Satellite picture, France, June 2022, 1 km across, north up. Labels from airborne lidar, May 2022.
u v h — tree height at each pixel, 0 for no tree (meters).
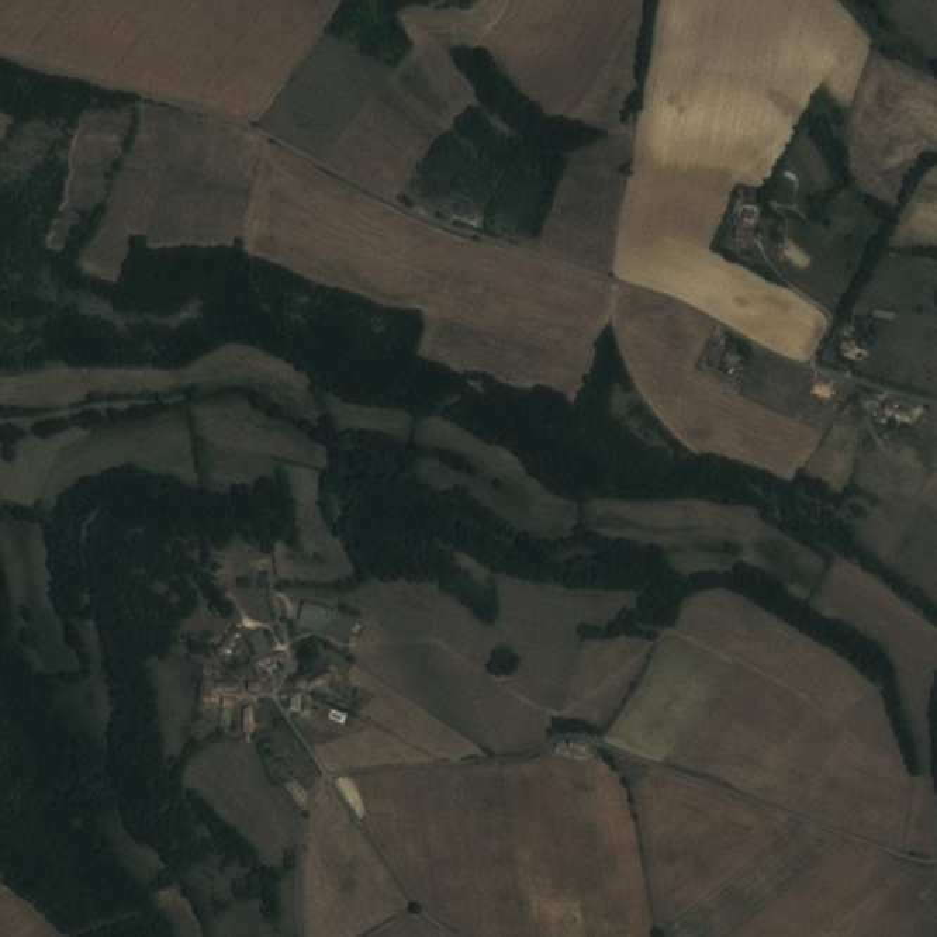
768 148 0
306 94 0
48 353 9
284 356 18
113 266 0
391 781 0
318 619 0
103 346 10
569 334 0
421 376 22
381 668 0
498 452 0
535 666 0
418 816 0
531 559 22
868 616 0
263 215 0
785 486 10
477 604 7
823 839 0
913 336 0
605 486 18
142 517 13
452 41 0
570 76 0
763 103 0
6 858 13
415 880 0
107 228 0
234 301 10
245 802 0
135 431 0
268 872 14
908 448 0
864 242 0
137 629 11
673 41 0
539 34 0
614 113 0
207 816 14
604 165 0
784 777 0
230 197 0
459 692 0
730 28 0
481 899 0
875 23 0
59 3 0
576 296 0
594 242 0
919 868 0
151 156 0
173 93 0
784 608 11
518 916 0
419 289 0
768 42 0
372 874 0
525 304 0
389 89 0
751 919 0
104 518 11
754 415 0
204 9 0
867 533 0
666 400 0
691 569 0
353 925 0
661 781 0
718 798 0
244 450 0
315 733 0
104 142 0
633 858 0
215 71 0
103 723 0
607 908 0
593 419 10
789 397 0
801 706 0
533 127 15
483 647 0
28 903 6
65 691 0
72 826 18
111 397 11
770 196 14
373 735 0
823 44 0
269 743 7
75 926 14
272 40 0
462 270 0
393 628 0
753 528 0
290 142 0
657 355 0
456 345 0
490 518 16
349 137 0
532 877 0
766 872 0
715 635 0
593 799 0
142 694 14
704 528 0
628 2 0
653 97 0
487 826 0
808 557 0
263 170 0
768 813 0
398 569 10
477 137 13
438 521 20
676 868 0
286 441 0
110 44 0
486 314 0
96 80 0
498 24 0
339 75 0
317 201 0
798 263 0
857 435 0
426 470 0
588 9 0
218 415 0
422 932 0
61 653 0
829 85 0
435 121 0
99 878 14
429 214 0
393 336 10
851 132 0
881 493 0
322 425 15
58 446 0
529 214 8
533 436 17
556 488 17
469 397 14
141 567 7
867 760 0
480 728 0
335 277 0
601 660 0
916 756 11
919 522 0
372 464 26
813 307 0
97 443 0
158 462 0
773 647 0
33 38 0
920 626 0
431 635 0
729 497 17
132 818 18
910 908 0
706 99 0
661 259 0
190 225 0
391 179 0
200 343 19
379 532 10
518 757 0
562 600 0
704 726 0
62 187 7
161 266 15
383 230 0
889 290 0
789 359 0
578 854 0
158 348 8
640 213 0
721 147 0
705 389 0
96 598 14
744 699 0
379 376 16
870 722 0
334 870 0
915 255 8
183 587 10
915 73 0
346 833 0
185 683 0
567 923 0
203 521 14
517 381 0
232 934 0
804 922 0
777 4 0
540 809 0
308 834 0
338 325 11
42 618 0
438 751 0
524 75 0
